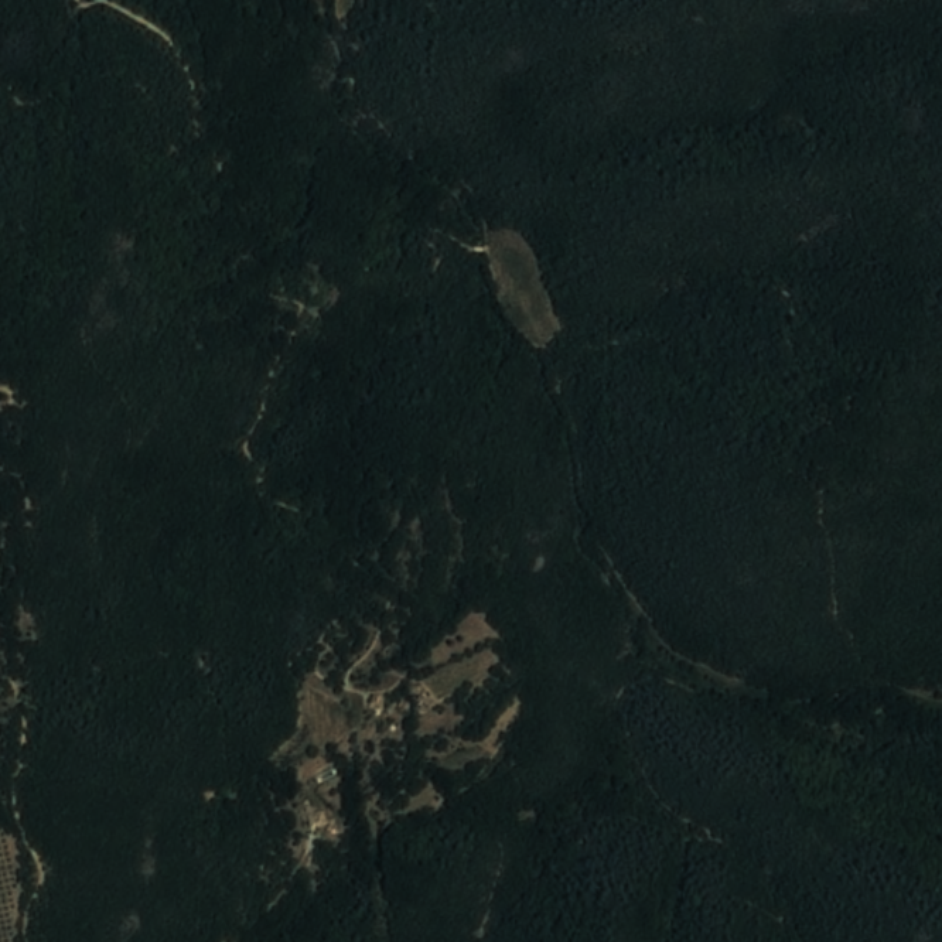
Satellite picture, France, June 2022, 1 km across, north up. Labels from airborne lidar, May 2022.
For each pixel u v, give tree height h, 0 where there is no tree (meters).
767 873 7
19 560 12
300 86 8
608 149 17
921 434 11
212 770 8
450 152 11
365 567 12
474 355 15
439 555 8
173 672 8
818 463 13
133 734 9
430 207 10
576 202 8
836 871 6
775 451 11
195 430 10
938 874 11
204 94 12
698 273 12
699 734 15
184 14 12
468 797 17
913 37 9
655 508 7
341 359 17
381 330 14
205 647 12
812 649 7
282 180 14
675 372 10
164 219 10
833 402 14
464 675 0
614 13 8
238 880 12
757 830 6
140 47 6
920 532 9
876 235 14
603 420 14
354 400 19
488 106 13
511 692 7
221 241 15
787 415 9
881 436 9
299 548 10
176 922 9
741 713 13
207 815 12
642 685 6
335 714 0
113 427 7
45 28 8
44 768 8
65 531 7
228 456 13
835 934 13
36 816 10
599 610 8
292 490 12
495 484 11
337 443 19
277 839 12
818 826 7
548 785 7
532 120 12
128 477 13
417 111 5
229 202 15
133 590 9
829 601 8
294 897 13
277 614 9
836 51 11
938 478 13
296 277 10
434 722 0
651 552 11
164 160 7
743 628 7
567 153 8
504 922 9
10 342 12
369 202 12
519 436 7
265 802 13
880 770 9
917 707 17
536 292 0
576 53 10
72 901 8
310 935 17
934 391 12
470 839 19
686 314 9
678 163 8
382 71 8
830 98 9
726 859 8
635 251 8
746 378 8
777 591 8
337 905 14
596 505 13
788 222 8
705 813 7
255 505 14
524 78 15
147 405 9
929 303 10
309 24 13
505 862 6
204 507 13
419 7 8
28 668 6
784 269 17
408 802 15
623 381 6
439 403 9
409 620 8
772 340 10
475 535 10
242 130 14
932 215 6
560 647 9
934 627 9
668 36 8
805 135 13
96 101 9
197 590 12
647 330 8
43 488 8
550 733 8
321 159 13
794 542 9
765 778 15
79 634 8
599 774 18
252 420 10
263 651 10
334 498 21
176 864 10
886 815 11
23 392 7
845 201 11
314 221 12
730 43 8
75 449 9
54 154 9
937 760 12
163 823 6
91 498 7
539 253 12
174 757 8
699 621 7
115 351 7
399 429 9
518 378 7
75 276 12
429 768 14
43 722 18
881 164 7
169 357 8
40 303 9
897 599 9
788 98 12
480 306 10
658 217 8
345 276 11
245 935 15
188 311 14
